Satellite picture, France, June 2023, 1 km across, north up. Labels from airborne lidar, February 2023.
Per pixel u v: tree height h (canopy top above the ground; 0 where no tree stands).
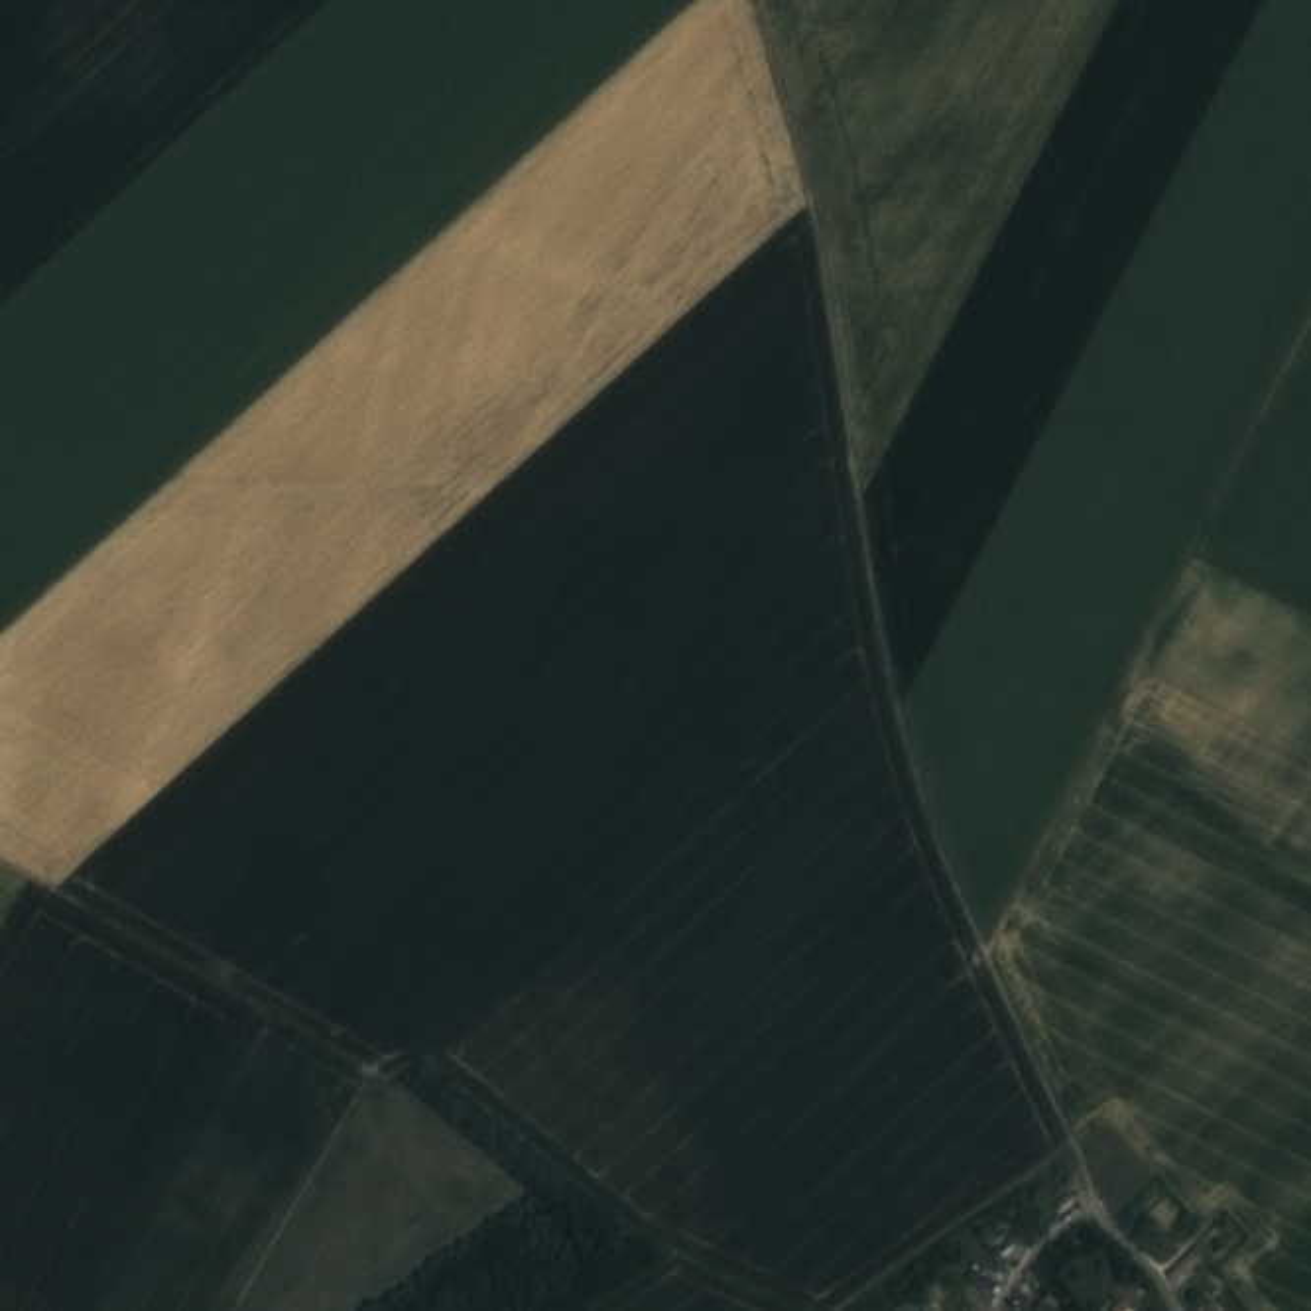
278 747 0
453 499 0
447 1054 0
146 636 0
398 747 0
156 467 0
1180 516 0
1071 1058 0
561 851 0
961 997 0
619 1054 0
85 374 0
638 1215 0
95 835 0
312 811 0
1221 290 0
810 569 0
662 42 0
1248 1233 0
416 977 0
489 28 0
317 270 0
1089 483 0
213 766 0
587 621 0
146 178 0
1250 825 0
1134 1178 0
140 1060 0
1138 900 0
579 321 0
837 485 0
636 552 0
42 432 0
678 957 0
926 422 0
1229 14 0
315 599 0
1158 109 0
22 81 0
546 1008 0
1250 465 0
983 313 0
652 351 0
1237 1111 0
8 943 0
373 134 0
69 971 0
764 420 0
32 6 0
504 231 0
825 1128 0
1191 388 0
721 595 0
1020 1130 0
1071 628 0
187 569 0
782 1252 0
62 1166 0
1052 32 0
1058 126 0
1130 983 0
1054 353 0
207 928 0
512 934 0
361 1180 0
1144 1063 0
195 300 0
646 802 0
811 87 0
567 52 0
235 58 0
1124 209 0
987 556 0
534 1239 18
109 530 0
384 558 0
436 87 0
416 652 0
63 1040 0
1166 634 0
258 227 0
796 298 0
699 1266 0
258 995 0
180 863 0
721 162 0
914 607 0
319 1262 0
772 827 0
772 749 0
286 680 0
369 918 0
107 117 0
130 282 0
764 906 0
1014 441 0
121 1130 0
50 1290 0
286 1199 0
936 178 0
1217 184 0
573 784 0
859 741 0
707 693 0
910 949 0
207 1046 0
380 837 0
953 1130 0
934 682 0
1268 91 0
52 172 0
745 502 0
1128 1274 12
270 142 0
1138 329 0
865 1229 0
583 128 0
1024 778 0
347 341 0
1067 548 0
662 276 0
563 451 0
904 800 0
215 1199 0
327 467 0
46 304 0
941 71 0
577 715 0
